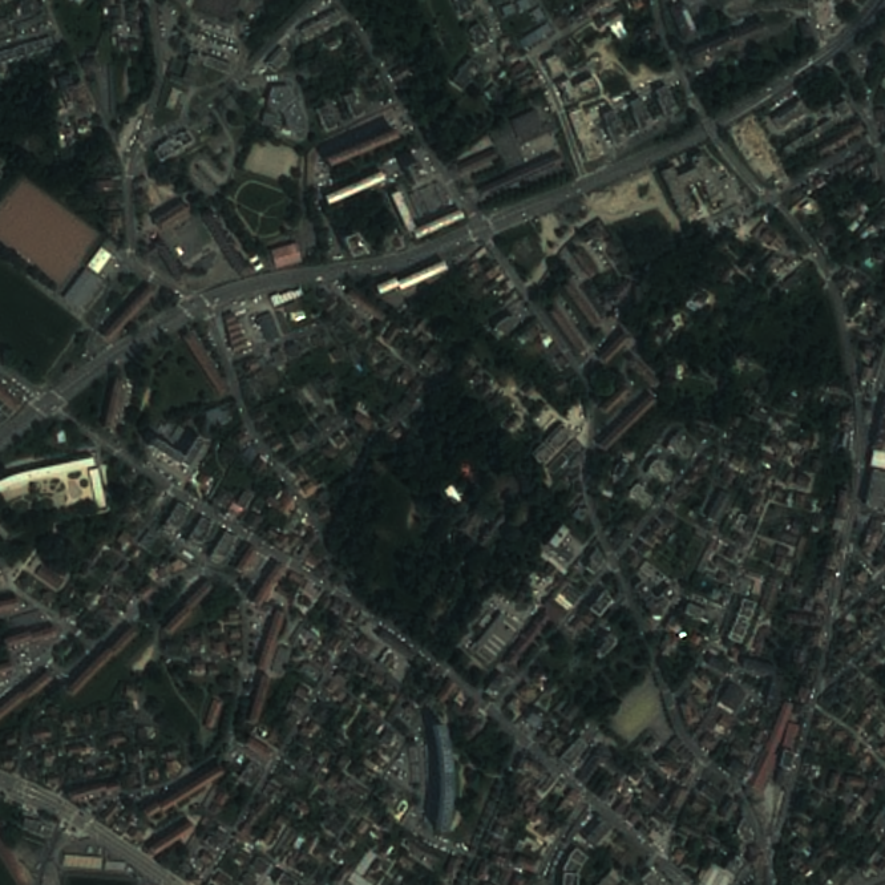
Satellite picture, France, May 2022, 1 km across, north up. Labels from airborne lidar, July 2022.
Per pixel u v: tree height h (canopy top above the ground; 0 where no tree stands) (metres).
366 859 0
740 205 0
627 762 7
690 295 7
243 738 8
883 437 0
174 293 12
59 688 20
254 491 10
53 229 0
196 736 13
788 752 0
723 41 0
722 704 0
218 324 0
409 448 23
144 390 13
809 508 6
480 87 19
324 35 7
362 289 14
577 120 0
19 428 0
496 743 7
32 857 0
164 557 7
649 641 13
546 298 17
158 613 18
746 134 0
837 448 6
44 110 28
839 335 0
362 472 12
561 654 16
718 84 22
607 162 0
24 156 23
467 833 0
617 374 18
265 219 0
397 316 17
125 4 7
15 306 0
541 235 0
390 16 22
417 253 0
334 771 10
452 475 28
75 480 0
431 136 13
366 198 20
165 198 0
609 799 0
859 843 9
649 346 22
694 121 16
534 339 10
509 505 25
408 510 0
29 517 15
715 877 0
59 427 9
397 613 29
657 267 25
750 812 0
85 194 18
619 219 0
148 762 7
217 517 0
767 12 0
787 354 10
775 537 8
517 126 0
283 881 0
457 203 0
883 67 20
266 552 0
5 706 0
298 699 0
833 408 11
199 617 0
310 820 7
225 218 16
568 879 0
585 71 0
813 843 8
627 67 0
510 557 22
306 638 0
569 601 0
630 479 17
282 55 0
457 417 23
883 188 16
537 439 10
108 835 0
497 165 12
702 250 25
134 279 12
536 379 6
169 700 0
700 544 0
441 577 17
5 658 13
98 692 0
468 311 10
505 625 0
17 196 0
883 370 0
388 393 13
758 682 8
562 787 0
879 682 13
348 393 9
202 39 0
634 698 0
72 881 0
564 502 8
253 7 0
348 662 0
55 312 0
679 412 15
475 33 0
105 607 0
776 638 8
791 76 0
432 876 6
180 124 0
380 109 0
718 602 6
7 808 0
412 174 0
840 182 15
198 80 0
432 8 0
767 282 10
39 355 0
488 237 0
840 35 0
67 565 19
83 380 0
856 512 0
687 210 0
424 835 0
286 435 7
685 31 0
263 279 0
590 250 0
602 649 0
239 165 11
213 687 8
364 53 8
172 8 0
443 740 0
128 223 0
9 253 20
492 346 11
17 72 12
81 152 19
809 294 7
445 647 21
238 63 0
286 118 0
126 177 0
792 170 12
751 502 8
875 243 10
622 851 0
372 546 23
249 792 11
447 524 20
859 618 8
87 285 0
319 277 0
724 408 20
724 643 12
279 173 0
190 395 0
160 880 0
